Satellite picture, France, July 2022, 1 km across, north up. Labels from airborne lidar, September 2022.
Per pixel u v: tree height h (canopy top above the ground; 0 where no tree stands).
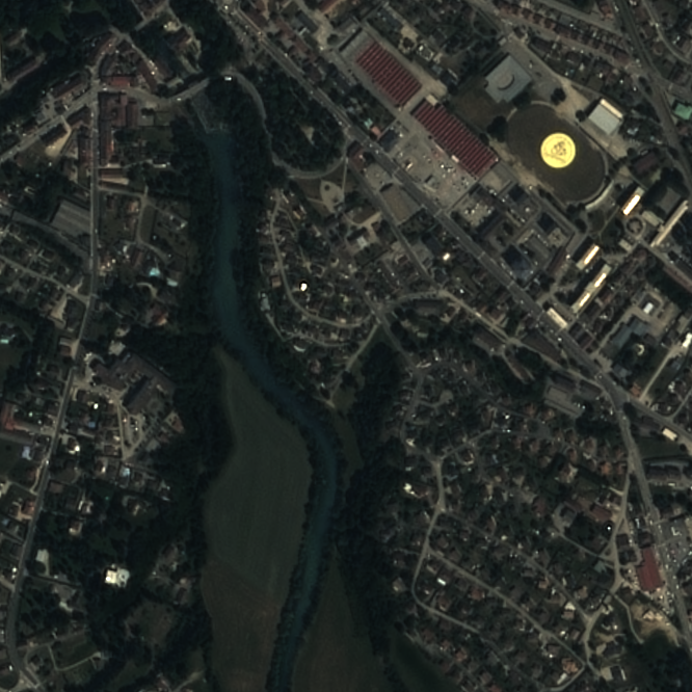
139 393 0
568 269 0
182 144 17
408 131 0
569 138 0
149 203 0
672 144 0
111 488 6
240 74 0
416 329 0
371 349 0
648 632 0
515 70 0
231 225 0
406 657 0
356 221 0
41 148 0
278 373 19
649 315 0
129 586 10
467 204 0
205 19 29
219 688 12
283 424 0
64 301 0
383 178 0
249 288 10
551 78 0
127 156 6
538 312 0
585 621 0
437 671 0
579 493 0
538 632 6
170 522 21
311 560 0
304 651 0
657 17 0
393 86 0
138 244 0
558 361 12
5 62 9
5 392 6
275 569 0
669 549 0
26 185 6
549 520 9
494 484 0
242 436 0
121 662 15
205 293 16
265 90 18
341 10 0
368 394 8
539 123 0
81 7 15
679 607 0
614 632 0
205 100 0
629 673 0
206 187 24
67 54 18
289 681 9
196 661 0
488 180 0
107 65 0
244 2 15
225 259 0
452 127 0
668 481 0
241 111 28
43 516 13
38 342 11
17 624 7
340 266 0
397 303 0
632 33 0
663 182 11
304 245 20
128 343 15
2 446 0
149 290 12
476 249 0
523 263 0
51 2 31
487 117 0
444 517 7
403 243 0
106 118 0
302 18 0
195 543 17
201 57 0
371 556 19
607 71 0
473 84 0
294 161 19
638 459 0
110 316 14
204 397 17
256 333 16
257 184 24
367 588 18
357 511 6
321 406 9
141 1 0
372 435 26
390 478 13
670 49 0
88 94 0
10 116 13
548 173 0
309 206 12
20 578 0
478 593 0
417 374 0
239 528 0
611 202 0
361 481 23
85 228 0
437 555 0
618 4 0
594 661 14
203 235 23
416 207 0
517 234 0
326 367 9
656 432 8
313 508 13
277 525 0
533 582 11
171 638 7
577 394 0
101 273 0
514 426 8
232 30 15
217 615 0
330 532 14
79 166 8
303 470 0
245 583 0
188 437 6
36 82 17
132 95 0
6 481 0
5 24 22
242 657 0
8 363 0
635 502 13
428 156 0
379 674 0
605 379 0
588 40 0
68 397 0
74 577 11
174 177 17
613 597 16
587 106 0
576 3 17
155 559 19
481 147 0
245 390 0
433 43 0
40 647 0
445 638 7
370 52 0
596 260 0
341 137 16
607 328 9
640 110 12
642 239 0
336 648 0
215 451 19
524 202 0
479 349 12
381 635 11
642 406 0
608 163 0
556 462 9
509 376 12
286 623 9
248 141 29
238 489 0
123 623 18
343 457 7
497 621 0
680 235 25
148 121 0
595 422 7
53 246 12
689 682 24
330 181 0
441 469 0
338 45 0
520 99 11
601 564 0
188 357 19
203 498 13
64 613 13
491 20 0
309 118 19
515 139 0
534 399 0
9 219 7
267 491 0
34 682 0
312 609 8
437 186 0
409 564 16
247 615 0
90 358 0
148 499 7
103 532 23
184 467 20
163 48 0
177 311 6
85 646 0
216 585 0
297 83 16
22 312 15
